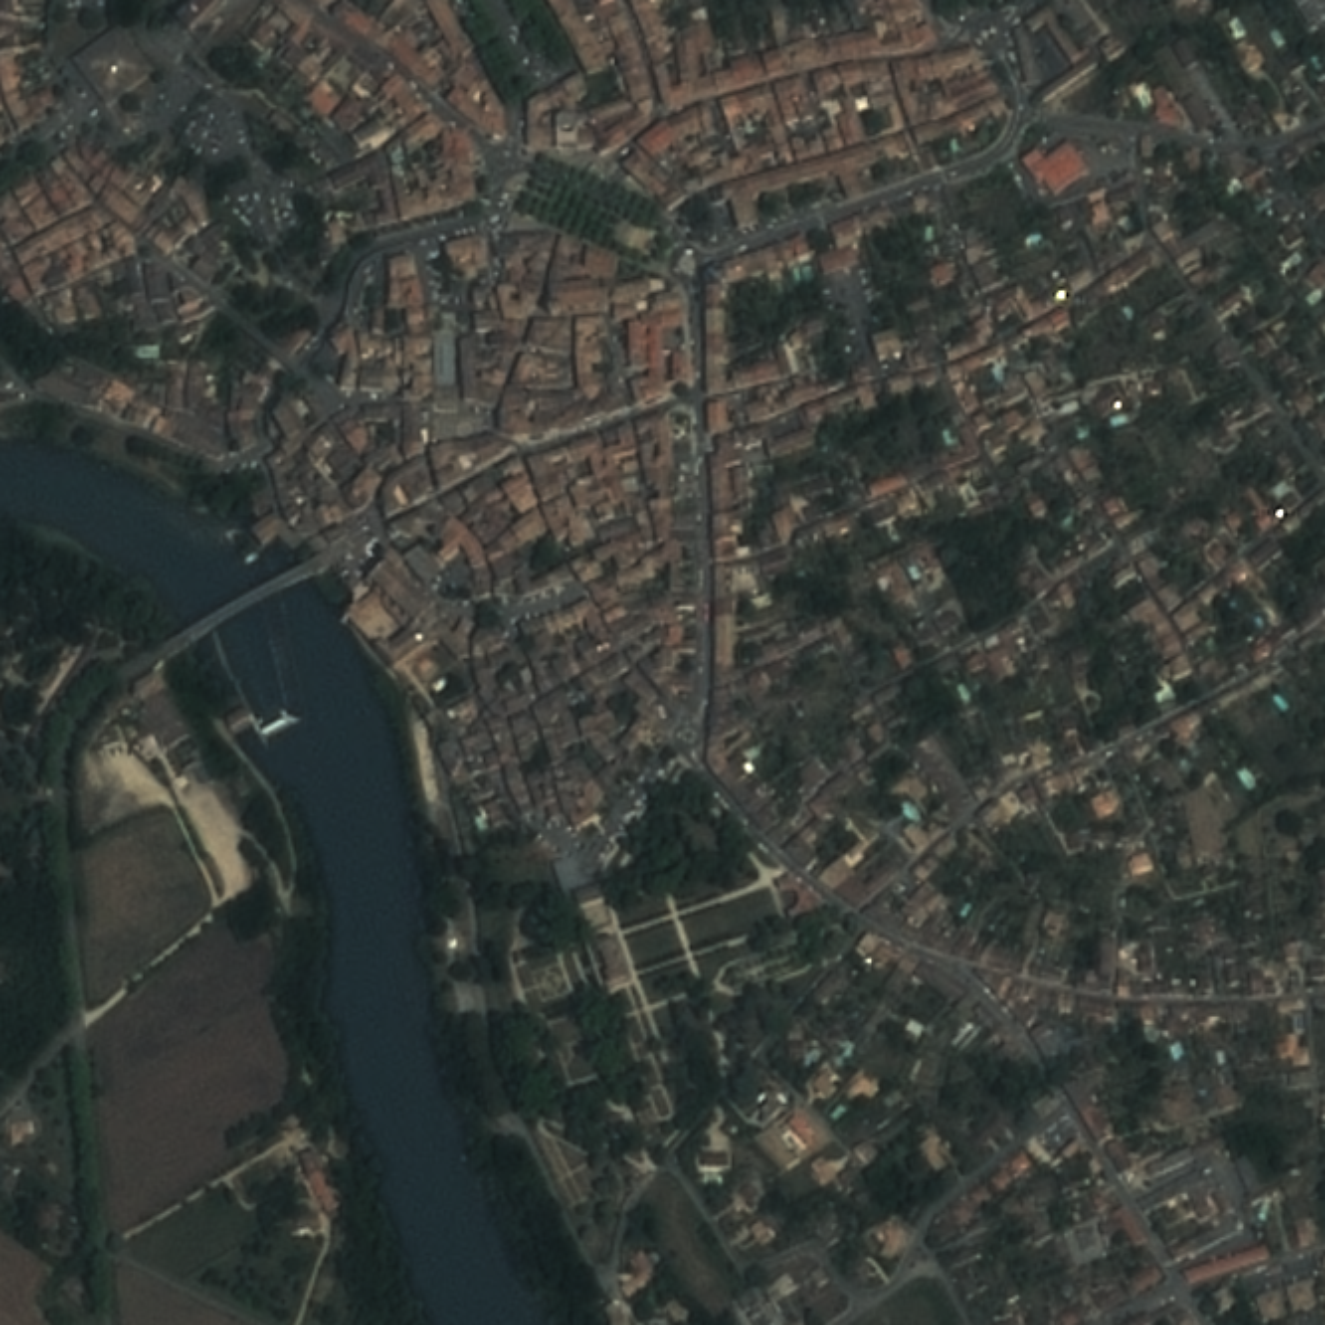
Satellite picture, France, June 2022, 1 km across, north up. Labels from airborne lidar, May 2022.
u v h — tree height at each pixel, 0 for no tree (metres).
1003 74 8
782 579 11
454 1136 0
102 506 0
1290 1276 0
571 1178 0
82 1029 0
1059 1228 7
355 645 0
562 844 0
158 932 0
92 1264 20
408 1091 0
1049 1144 0
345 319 6
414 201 0
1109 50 0
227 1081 0
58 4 10
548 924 33
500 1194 15
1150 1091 7
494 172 0
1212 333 0
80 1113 19
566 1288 16
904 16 0
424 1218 0
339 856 0
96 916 0
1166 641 0
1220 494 0
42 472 0
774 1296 0
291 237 7
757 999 18
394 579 0
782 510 0
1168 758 7
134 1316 0
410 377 0
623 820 0
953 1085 6
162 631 6
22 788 12
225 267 6
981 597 6
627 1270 5
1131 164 0
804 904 0
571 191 11
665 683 0
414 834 29
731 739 7
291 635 0
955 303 6
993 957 0
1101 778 8
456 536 0
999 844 6
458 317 6
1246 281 0
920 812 5
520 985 0
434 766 0
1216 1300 0
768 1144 0
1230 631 9
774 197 8
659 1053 19
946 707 6
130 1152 0
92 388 0
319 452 0
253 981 0
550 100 0
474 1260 0
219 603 0
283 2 0
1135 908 0
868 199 0
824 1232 0
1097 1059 10
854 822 0
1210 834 0
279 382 19
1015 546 10
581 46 0
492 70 17
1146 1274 0
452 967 8
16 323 20
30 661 7
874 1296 0
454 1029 13
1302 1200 0
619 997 13
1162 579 11
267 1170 0
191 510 0
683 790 18
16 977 7
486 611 11
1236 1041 8
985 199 0
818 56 0
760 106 0
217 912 10
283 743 0
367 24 0
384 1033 0
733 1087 20
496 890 17
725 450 0
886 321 6
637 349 0
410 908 0
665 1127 12
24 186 0
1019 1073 8
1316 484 6
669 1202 0
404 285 0
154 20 9
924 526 10
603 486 0
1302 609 12
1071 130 0
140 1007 0
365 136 0
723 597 0
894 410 13
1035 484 10
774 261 0
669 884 31
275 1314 7
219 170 8
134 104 11
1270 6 11
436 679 0
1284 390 6
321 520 0
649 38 0
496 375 0
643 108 0
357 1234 15
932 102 0
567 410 0
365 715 0
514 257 0
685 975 13
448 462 0
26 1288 0
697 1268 0
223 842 0
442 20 0
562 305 0
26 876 15
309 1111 12
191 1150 0
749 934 0
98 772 0
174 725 0
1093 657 7
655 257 12
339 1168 20
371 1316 10
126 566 0
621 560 0
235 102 0
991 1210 8
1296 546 9
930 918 0
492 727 0
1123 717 7
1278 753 8
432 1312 0
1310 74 7
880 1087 6
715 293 0
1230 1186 0
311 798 0
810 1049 0
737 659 7
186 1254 0
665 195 0
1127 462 7
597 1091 17
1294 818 14
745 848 14
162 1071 0
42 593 13
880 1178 15
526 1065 26
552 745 0
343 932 0
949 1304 0
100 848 0
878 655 12
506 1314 0
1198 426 8
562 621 0
